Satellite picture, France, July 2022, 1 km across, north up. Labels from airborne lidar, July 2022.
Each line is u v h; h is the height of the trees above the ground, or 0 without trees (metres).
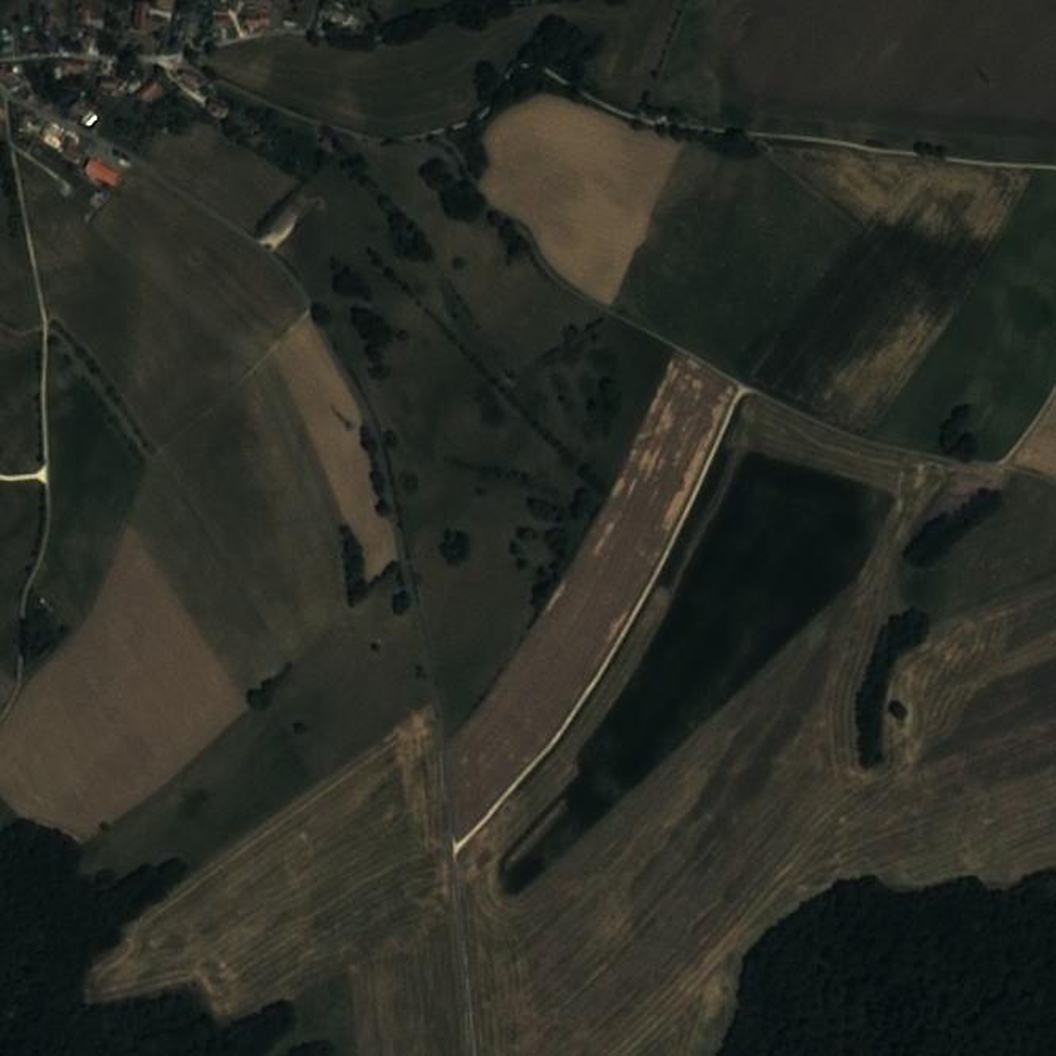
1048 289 0
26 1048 19
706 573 0
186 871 16
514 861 0
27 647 14
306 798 0
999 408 0
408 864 0
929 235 0
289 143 5
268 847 0
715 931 0
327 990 0
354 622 0
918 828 0
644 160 0
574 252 0
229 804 0
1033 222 0
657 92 0
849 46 0
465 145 6
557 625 0
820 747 0
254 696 13
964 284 0
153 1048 17
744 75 0
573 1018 0
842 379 0
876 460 0
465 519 0
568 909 0
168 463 0
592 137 0
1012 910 22
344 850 0
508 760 0
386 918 0
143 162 0
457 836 0
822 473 0
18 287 0
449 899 0
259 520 0
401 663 0
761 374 0
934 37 0
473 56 0
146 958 0
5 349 0
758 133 0
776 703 0
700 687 0
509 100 15
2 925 23
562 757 0
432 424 0
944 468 0
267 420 0
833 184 0
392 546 0
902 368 0
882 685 13
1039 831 0
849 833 0
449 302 0
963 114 0
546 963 0
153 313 0
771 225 0
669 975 0
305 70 0
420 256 12
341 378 0
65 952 19
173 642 0
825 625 0
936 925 25
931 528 14
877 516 0
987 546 0
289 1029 12
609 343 0
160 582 0
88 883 15
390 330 16
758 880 0
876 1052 20
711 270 0
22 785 0
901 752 0
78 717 0
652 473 0
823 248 0
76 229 0
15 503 0
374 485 9
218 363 0
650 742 0
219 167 0
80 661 0
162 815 0
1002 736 0
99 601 0
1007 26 0
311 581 0
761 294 0
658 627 0
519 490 0
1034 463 0
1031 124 0
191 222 0
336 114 0
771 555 0
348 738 0
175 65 0
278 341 0
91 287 0
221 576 0
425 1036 0
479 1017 0
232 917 0
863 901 20
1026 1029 26
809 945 20
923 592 0
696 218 0
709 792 0
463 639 0
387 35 14
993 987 21
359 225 0
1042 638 0
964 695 0
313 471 0
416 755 0
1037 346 0
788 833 0
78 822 0
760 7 0
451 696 0
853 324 0
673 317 0
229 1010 0
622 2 14
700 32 0
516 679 0
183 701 0
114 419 7
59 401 0
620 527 0
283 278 0
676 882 0
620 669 0
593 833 0
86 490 0
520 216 0
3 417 0
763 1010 18
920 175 0
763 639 0
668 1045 0
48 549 0
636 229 0
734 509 0
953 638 0
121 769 0
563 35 15
